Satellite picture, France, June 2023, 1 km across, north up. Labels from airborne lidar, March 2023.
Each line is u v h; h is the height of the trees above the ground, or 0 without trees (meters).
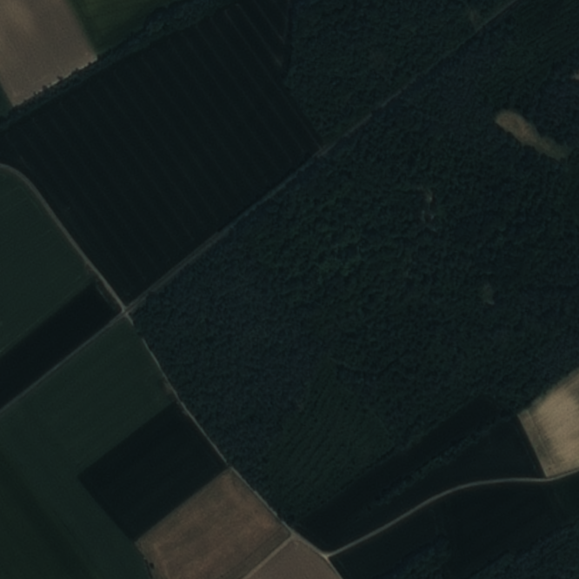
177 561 0
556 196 21
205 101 0
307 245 13
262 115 0
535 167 21
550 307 26
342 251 16
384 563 0
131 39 16
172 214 0
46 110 0
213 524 0
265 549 0
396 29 15
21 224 0
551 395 0
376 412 7
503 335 16
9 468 0
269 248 22
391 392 7
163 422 0
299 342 19
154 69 0
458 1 25
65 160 0
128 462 0
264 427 20
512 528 0
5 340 0
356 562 0
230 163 0
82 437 0
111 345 0
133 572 0
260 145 0
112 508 0
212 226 0
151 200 0
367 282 13
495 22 8
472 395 8
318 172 24
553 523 0
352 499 0
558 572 9
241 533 0
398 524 0
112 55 8
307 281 26
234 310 22
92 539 0
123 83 0
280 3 0
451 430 0
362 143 18
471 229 24
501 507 0
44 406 0
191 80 0
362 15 7
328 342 18
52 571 0
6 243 0
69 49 0
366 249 25
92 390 0
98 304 0
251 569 0
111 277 0
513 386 14
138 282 0
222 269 6
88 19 0
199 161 0
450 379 9
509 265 24
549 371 22
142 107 0
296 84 15
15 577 0
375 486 0
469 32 16
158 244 0
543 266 8
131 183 0
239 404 13
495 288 11
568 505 0
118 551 0
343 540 0
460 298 15
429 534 0
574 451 0
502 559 9
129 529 0
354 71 16
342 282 28
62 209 0
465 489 0
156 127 0
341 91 17
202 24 0
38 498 0
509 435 0
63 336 0
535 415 0
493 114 15
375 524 0
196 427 0
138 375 0
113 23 0
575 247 24
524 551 10
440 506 0
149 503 0
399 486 16
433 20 18
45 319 0
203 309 19
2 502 0
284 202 9
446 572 0
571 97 19
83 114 0
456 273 11
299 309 22
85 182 0
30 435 0
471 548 0
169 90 0
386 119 23
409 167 17
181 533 0
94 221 0
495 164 10
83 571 0
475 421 0
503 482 0
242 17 0
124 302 0
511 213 11
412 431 23
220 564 0
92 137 0
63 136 0
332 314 20
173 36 0
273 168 0
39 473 0
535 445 0
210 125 0
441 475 0
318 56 12
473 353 10
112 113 0
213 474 0
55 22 0
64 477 0
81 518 0
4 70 0
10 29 0
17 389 0
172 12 20
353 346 12
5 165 0
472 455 0
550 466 0
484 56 19
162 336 13
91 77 0
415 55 17
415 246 20
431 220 23
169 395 0
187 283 13
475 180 12
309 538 0
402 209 18
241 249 21
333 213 21
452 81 19
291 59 8
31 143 0
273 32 0
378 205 13
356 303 18
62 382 0
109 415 0
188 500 0
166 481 0
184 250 0
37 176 0
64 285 0
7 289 0
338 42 14
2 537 0
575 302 30
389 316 12
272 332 18
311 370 18
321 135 8
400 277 21
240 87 0
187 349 17
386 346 20
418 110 11
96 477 0
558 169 17
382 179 18
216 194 0
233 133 0
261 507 0
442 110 17
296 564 0
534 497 0
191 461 0
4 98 0
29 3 0
